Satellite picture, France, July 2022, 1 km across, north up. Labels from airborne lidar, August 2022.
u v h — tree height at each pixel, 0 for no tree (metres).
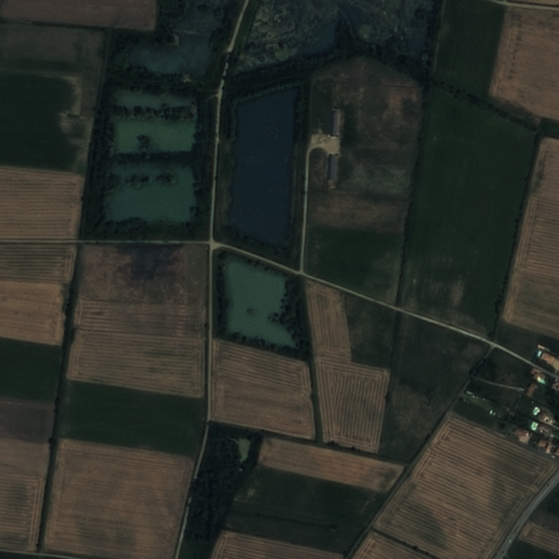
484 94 0
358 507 0
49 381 0
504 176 0
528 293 0
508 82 0
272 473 0
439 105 0
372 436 0
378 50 8
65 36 0
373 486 0
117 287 0
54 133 0
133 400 0
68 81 0
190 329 0
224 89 10
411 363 0
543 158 0
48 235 0
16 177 0
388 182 0
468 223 0
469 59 0
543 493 0
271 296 0
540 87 0
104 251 0
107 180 24
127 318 0
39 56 0
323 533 0
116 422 0
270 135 0
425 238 0
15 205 0
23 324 0
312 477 0
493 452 0
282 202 0
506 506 0
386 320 0
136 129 0
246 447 0
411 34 0
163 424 0
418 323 0
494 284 0
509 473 0
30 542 0
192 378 0
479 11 0
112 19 0
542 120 0
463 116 0
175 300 0
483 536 0
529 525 0
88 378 0
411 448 0
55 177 0
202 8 10
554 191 0
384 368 0
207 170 20
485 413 0
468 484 0
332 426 0
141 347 0
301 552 0
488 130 0
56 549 0
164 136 0
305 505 0
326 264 0
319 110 0
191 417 0
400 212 0
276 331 0
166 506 0
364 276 0
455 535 0
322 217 0
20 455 0
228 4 0
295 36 0
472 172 0
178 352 0
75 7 0
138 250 0
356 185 0
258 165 0
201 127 15
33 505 0
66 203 0
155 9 0
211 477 7
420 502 0
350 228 0
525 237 0
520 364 0
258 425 0
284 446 0
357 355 0
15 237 0
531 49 0
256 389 0
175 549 0
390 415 0
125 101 0
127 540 0
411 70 24
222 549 0
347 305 0
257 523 0
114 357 0
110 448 0
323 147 0
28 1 0
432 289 0
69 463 0
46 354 0
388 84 0
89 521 0
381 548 0
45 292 0
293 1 0
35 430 0
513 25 0
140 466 0
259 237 0
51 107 0
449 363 0
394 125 0
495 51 0
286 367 0
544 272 0
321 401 0
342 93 0
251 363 0
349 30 17
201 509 6
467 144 0
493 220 0
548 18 0
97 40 0
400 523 0
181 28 0
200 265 0
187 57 0
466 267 0
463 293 0
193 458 0
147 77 7
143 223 17
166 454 0
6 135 0
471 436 0
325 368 0
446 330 0
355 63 0
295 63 10
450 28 0
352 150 0
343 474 0
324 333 0
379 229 0
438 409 0
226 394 0
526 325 0
